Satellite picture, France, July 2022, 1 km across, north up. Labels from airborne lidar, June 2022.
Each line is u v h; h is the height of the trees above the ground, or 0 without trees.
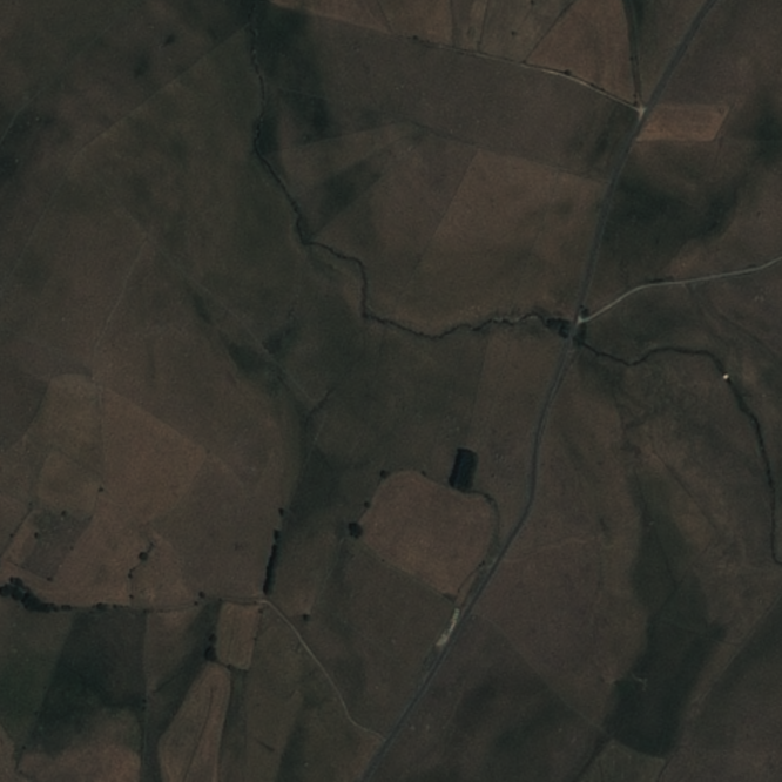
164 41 0
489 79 0
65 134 0
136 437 0
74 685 0
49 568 0
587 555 0
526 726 0
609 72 0
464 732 0
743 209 0
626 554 0
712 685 0
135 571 0
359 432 0
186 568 0
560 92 0
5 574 0
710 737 0
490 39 0
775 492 0
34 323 0
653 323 0
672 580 0
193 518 0
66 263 0
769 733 0
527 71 0
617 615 0
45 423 0
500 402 0
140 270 0
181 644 0
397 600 0
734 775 0
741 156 0
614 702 0
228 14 0
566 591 0
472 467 17
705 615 0
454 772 0
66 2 0
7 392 0
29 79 0
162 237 0
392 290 0
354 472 0
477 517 0
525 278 0
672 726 0
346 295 0
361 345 0
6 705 0
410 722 0
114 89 0
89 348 0
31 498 0
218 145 0
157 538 0
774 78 0
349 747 0
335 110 0
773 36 0
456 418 0
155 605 0
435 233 0
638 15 0
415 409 0
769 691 0
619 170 0
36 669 0
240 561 0
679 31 0
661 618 0
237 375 0
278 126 0
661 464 0
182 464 0
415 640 0
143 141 0
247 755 0
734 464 0
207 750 0
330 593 0
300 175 0
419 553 0
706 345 0
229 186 0
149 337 0
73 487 0
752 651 0
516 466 0
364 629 0
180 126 0
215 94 0
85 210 0
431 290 0
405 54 0
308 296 0
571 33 0
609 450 0
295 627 0
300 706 0
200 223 0
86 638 0
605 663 0
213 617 0
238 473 0
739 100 0
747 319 0
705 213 0
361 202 0
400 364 0
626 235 0
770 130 0
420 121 0
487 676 0
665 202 0
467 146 0
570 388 0
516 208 0
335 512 0
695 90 0
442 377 0
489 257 0
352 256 0
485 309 0
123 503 0
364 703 0
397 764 0
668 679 0
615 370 0
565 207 0
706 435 0
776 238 0
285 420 0
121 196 0
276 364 0
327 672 0
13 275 0
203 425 0
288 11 0
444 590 0
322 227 0
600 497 0
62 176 0
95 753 0
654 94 0
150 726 0
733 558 0
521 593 0
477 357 0
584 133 0
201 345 0
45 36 0
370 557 0
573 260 0
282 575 0
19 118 0
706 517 0
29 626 0
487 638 0
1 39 0
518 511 0
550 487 0
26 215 0
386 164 0
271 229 0
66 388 0
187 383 0
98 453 0
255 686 0
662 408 0
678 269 0
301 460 0
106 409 0
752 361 0
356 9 0
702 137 0
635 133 0
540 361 0
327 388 0
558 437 0
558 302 0
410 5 0
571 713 0
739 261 0
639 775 0
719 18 0
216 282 0
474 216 0
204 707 0
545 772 0
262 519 0
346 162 0
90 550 0
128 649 0
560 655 0
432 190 0
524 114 0
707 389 0
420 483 0
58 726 0
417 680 0
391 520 0
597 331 0
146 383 0
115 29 0
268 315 0
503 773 0
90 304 0
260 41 0
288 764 0
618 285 0
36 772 0
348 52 0
